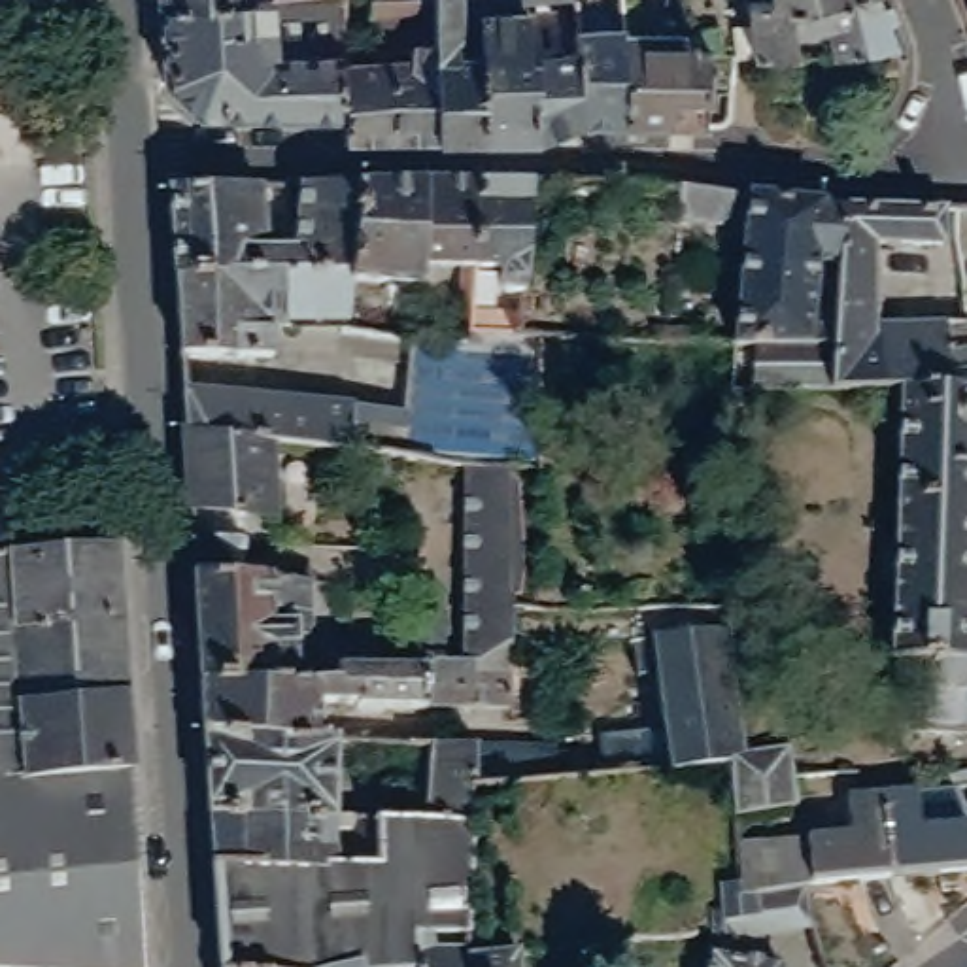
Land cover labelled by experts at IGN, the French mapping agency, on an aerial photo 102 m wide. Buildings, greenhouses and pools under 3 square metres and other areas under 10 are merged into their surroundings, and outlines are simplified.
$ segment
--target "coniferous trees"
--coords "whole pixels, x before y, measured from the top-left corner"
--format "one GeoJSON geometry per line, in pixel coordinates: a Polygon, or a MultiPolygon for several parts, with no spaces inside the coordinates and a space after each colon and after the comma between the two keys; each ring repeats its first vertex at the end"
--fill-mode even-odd
{"type": "Polygon", "coordinates": [[[385,42],[389,26],[374,23],[366,8],[351,8],[348,26],[336,34],[351,53],[370,53],[385,42]]]}

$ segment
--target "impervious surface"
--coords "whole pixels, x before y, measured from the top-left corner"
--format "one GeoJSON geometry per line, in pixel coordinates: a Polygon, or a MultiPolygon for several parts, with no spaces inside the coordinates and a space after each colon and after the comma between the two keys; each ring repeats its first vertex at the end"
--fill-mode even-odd
{"type": "Polygon", "coordinates": [[[355,812],[355,827],[340,835],[344,854],[378,850],[378,812],[355,812]]]}
{"type": "Polygon", "coordinates": [[[261,533],[253,533],[249,548],[234,548],[219,536],[200,540],[193,529],[189,544],[166,563],[166,570],[140,567],[140,548],[132,540],[121,540],[128,684],[136,721],[132,861],[144,861],[136,869],[140,967],[219,967],[193,570],[204,563],[257,563],[283,574],[306,574],[306,555],[287,551],[272,548],[261,533]]]}
{"type": "Polygon", "coordinates": [[[317,34],[314,23],[306,23],[298,38],[283,38],[287,57],[355,64],[363,57],[374,64],[393,64],[412,60],[412,49],[419,45],[434,45],[438,23],[416,11],[389,26],[385,42],[370,53],[351,53],[336,34],[317,34]]]}
{"type": "Polygon", "coordinates": [[[925,891],[914,891],[914,884],[907,884],[891,895],[884,884],[869,884],[869,895],[846,891],[842,899],[854,907],[854,918],[865,933],[884,933],[888,956],[895,959],[891,967],[967,967],[967,873],[929,876],[925,891]]]}
{"type": "Polygon", "coordinates": [[[453,170],[484,178],[536,174],[585,178],[631,170],[684,181],[725,185],[733,193],[740,185],[771,181],[782,189],[820,189],[820,196],[835,200],[952,200],[956,242],[948,242],[948,257],[925,261],[922,253],[895,253],[891,264],[876,272],[876,291],[888,298],[884,317],[967,317],[967,0],[907,0],[895,30],[899,57],[899,102],[907,102],[899,128],[907,136],[895,140],[888,166],[865,178],[842,178],[835,166],[820,162],[797,147],[771,147],[748,136],[748,128],[755,125],[755,98],[748,83],[763,79],[767,72],[748,60],[752,45],[744,30],[737,30],[729,57],[729,110],[721,121],[710,117],[699,117],[687,155],[616,147],[601,136],[563,151],[351,151],[340,128],[306,128],[291,136],[280,128],[249,132],[230,113],[223,113],[215,128],[193,128],[181,125],[185,110],[170,102],[166,79],[159,76],[159,60],[166,57],[166,23],[159,19],[159,0],[106,0],[113,15],[140,34],[128,45],[128,91],[121,98],[121,121],[110,132],[110,144],[83,166],[42,170],[30,147],[19,140],[15,125],[0,113],[0,484],[11,487],[15,476],[38,472],[45,465],[45,446],[83,431],[162,434],[174,468],[185,465],[185,397],[170,227],[174,196],[162,189],[166,178],[276,181],[280,193],[272,200],[272,238],[287,238],[298,227],[298,193],[306,178],[344,178],[348,189],[363,193],[363,174],[374,170],[453,170]],[[98,310],[64,310],[23,298],[15,283],[4,276],[23,261],[23,249],[53,227],[87,223],[94,223],[102,242],[121,257],[121,291],[110,295],[98,310]]]}
{"type": "Polygon", "coordinates": [[[812,967],[805,929],[771,937],[771,944],[786,967],[812,967]]]}
{"type": "Polygon", "coordinates": [[[246,321],[249,332],[257,332],[261,340],[257,348],[272,348],[276,359],[268,366],[196,363],[193,382],[329,393],[355,397],[366,404],[404,404],[408,355],[397,348],[400,336],[355,325],[302,329],[298,336],[287,336],[295,314],[283,314],[280,321],[246,321]]]}

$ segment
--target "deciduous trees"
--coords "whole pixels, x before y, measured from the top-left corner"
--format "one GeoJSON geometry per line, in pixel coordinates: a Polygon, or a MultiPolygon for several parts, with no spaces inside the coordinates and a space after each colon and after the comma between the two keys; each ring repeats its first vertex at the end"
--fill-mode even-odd
{"type": "Polygon", "coordinates": [[[317,533],[306,529],[302,517],[291,510],[276,521],[264,521],[261,533],[272,548],[287,551],[291,536],[298,544],[317,544],[317,533]]]}
{"type": "Polygon", "coordinates": [[[963,755],[952,755],[948,763],[918,767],[914,782],[922,789],[941,789],[944,782],[952,782],[952,771],[959,771],[963,755]]]}
{"type": "Polygon", "coordinates": [[[344,752],[348,786],[374,774],[382,786],[408,789],[416,778],[419,748],[412,737],[382,737],[378,744],[351,744],[344,752]]]}
{"type": "Polygon", "coordinates": [[[87,223],[53,227],[23,249],[23,261],[4,276],[15,283],[23,298],[64,310],[98,310],[110,295],[121,291],[121,257],[102,242],[94,223],[87,223]]]}
{"type": "Polygon", "coordinates": [[[521,400],[510,404],[510,412],[525,423],[533,446],[540,446],[536,506],[525,510],[525,548],[533,551],[533,570],[521,574],[517,593],[536,597],[536,589],[559,589],[563,604],[555,608],[555,627],[525,631],[514,646],[510,661],[525,669],[525,733],[563,740],[582,740],[582,729],[593,733],[585,691],[597,676],[601,653],[623,653],[623,638],[608,638],[616,619],[627,619],[635,627],[646,612],[699,608],[714,593],[721,593],[725,619],[733,631],[744,635],[744,676],[733,695],[740,729],[771,733],[782,744],[793,744],[801,733],[812,733],[820,748],[827,748],[839,737],[854,733],[861,740],[888,748],[903,740],[907,729],[929,725],[929,714],[937,706],[937,687],[922,695],[888,687],[907,657],[884,646],[873,642],[869,623],[861,631],[850,623],[812,627],[808,601],[816,597],[816,589],[823,589],[823,574],[820,555],[808,548],[786,551],[782,544],[774,544],[767,559],[744,570],[691,574],[684,548],[706,544],[710,536],[782,540],[801,517],[808,517],[808,499],[786,495],[786,484],[771,457],[782,434],[782,419],[793,427],[812,419],[861,419],[869,431],[876,431],[888,408],[888,389],[763,389],[755,400],[729,400],[721,408],[718,446],[691,468],[695,491],[687,491],[684,499],[676,495],[669,480],[669,457],[676,450],[672,419],[703,385],[710,385],[714,374],[737,370],[740,363],[733,363],[733,336],[721,336],[721,317],[706,321],[695,306],[687,310],[680,298],[680,291],[703,291],[710,298],[718,291],[721,253],[714,234],[695,234],[687,234],[680,253],[657,257],[657,280],[646,280],[642,264],[635,261],[604,268],[601,280],[585,280],[585,264],[574,264],[567,257],[567,238],[578,238],[582,230],[593,230],[593,249],[612,249],[608,238],[650,238],[657,223],[680,215],[684,181],[631,170],[585,178],[536,174],[536,272],[544,276],[551,295],[589,295],[585,314],[604,329],[604,344],[616,348],[612,366],[597,374],[585,400],[563,404],[548,397],[521,393],[521,400]]]}
{"type": "Polygon", "coordinates": [[[374,578],[363,589],[329,589],[329,619],[370,619],[378,635],[400,646],[431,642],[450,623],[450,585],[434,582],[434,570],[423,567],[423,521],[408,502],[404,487],[412,480],[453,484],[453,468],[438,465],[438,457],[416,465],[382,457],[385,446],[374,442],[348,442],[344,453],[336,453],[336,461],[329,461],[329,476],[317,476],[310,484],[310,495],[317,506],[332,510],[332,517],[348,521],[348,533],[366,548],[366,555],[374,555],[382,578],[374,578]]]}
{"type": "Polygon", "coordinates": [[[517,922],[521,884],[495,884],[495,865],[502,857],[491,846],[491,827],[502,823],[510,839],[521,839],[521,789],[510,786],[506,793],[476,801],[476,812],[465,816],[468,842],[476,842],[476,857],[468,857],[472,884],[465,888],[465,895],[476,910],[476,937],[487,937],[487,944],[514,948],[525,944],[529,959],[544,959],[544,929],[521,929],[517,922]]]}
{"type": "Polygon", "coordinates": [[[812,136],[827,144],[827,155],[820,162],[835,166],[842,178],[865,178],[888,166],[895,140],[907,136],[899,128],[907,102],[899,102],[899,57],[873,60],[880,68],[873,91],[857,87],[854,98],[827,102],[827,110],[812,117],[812,136]]]}
{"type": "Polygon", "coordinates": [[[442,283],[427,283],[404,283],[397,298],[393,310],[404,314],[400,336],[397,348],[408,355],[431,366],[450,363],[453,348],[468,336],[468,295],[465,287],[457,295],[446,295],[442,283]]]}
{"type": "Polygon", "coordinates": [[[110,144],[110,132],[121,121],[121,98],[128,91],[128,45],[140,34],[113,15],[106,0],[0,0],[0,113],[15,125],[19,140],[30,147],[42,170],[83,166],[110,144]]]}
{"type": "Polygon", "coordinates": [[[193,495],[174,468],[162,434],[83,431],[45,446],[45,465],[38,472],[15,476],[11,487],[4,506],[8,529],[45,533],[87,525],[102,529],[102,536],[121,540],[132,540],[140,548],[140,567],[166,570],[166,563],[189,544],[193,529],[193,495]]]}

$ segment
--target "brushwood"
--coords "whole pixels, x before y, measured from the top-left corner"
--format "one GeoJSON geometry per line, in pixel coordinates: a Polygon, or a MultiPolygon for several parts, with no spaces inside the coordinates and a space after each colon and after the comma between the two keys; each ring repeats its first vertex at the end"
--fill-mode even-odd
{"type": "Polygon", "coordinates": [[[646,876],[635,888],[631,914],[623,918],[631,933],[691,929],[699,937],[699,929],[706,925],[706,903],[691,891],[687,876],[661,873],[646,876]]]}
{"type": "Polygon", "coordinates": [[[733,793],[729,767],[657,767],[657,778],[665,778],[669,786],[703,789],[714,805],[733,793]]]}
{"type": "Polygon", "coordinates": [[[680,967],[680,941],[627,941],[619,959],[642,967],[680,967]]]}
{"type": "Polygon", "coordinates": [[[782,72],[767,72],[763,79],[748,83],[755,98],[755,125],[748,128],[748,136],[771,147],[797,147],[820,162],[827,155],[827,144],[812,136],[812,117],[805,98],[805,68],[793,68],[786,60],[782,72]]]}

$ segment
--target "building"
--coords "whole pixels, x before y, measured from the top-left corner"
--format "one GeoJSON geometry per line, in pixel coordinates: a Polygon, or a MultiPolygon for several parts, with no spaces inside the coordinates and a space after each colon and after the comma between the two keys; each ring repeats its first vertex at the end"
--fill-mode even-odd
{"type": "Polygon", "coordinates": [[[895,480],[895,627],[891,642],[884,646],[907,657],[888,687],[922,695],[937,687],[937,706],[948,721],[967,721],[967,317],[884,317],[888,298],[876,291],[876,272],[891,264],[895,253],[922,253],[925,261],[948,257],[948,242],[956,242],[952,200],[835,200],[820,196],[820,189],[782,189],[771,181],[740,185],[733,193],[725,185],[684,181],[680,215],[695,234],[714,234],[725,219],[744,230],[748,257],[737,276],[740,317],[733,336],[733,363],[740,363],[744,351],[759,359],[755,382],[763,389],[888,389],[899,389],[903,468],[895,480]]]}
{"type": "Polygon", "coordinates": [[[763,956],[718,948],[710,967],[786,967],[771,944],[763,956]]]}
{"type": "Polygon", "coordinates": [[[348,442],[374,442],[385,446],[382,457],[416,465],[438,457],[438,465],[453,468],[465,472],[465,646],[457,657],[348,657],[340,669],[310,672],[302,665],[302,642],[317,627],[317,616],[314,582],[306,574],[283,574],[257,563],[204,563],[193,570],[219,967],[517,967],[514,948],[487,944],[487,937],[476,937],[476,910],[465,895],[465,888],[472,884],[468,857],[476,857],[476,842],[468,842],[465,816],[476,812],[476,801],[472,789],[491,786],[491,774],[484,774],[484,755],[544,759],[563,740],[525,733],[525,669],[510,661],[514,646],[506,642],[506,631],[514,623],[517,593],[521,574],[533,570],[533,551],[525,548],[525,510],[536,506],[540,446],[533,446],[525,423],[510,412],[510,404],[521,400],[521,393],[548,397],[544,332],[529,332],[525,310],[502,314],[499,306],[499,295],[529,291],[529,280],[536,272],[536,174],[484,178],[453,170],[374,170],[363,174],[363,193],[348,189],[344,178],[306,178],[298,193],[298,227],[287,238],[272,238],[272,200],[280,193],[276,181],[166,178],[162,189],[174,196],[170,227],[185,397],[185,465],[174,468],[193,495],[193,529],[200,540],[219,536],[234,548],[249,548],[253,533],[261,533],[264,521],[276,521],[291,510],[283,472],[276,468],[276,446],[291,442],[336,453],[344,453],[348,442]],[[280,321],[283,314],[295,314],[287,336],[298,336],[302,329],[355,325],[355,291],[363,283],[382,283],[397,298],[404,283],[427,283],[427,261],[495,261],[495,272],[472,276],[468,295],[468,336],[453,348],[450,363],[431,366],[408,355],[404,404],[366,404],[355,397],[329,393],[193,382],[196,363],[268,366],[276,359],[272,348],[257,348],[261,340],[257,332],[249,332],[246,321],[280,321]],[[310,714],[393,718],[427,706],[457,710],[468,729],[499,733],[491,740],[412,737],[419,748],[427,752],[423,805],[378,812],[378,850],[344,854],[340,835],[355,827],[355,812],[344,808],[348,786],[344,752],[351,744],[378,744],[382,737],[310,729],[310,714]]]}
{"type": "Polygon", "coordinates": [[[744,30],[752,45],[748,60],[767,72],[782,72],[786,60],[793,68],[805,68],[873,60],[899,57],[895,30],[907,0],[771,0],[771,8],[752,11],[752,23],[744,30]]]}
{"type": "Polygon", "coordinates": [[[767,812],[797,808],[808,797],[831,793],[831,771],[797,771],[797,759],[789,759],[782,744],[771,733],[740,729],[733,695],[744,676],[744,635],[733,631],[725,619],[714,627],[672,627],[653,635],[665,737],[650,740],[646,729],[604,733],[601,752],[608,752],[612,767],[657,767],[729,767],[733,793],[737,812],[767,812]]]}
{"type": "Polygon", "coordinates": [[[128,684],[121,540],[102,536],[0,548],[0,967],[140,967],[136,869],[144,861],[132,861],[136,721],[128,684]]]}
{"type": "Polygon", "coordinates": [[[737,846],[740,880],[714,876],[714,895],[706,903],[706,925],[714,933],[771,937],[805,929],[808,914],[797,910],[797,903],[805,891],[812,899],[842,899],[846,891],[869,895],[869,884],[884,884],[891,895],[907,884],[914,884],[914,891],[925,891],[929,876],[967,873],[967,771],[959,771],[952,771],[952,782],[944,782],[941,789],[922,789],[914,782],[854,789],[846,827],[820,827],[801,839],[744,839],[737,846]]]}
{"type": "Polygon", "coordinates": [[[166,79],[170,102],[185,110],[181,125],[193,128],[215,128],[223,113],[230,113],[249,132],[280,128],[291,136],[306,128],[340,128],[351,151],[563,151],[601,136],[616,147],[687,155],[699,117],[710,117],[703,87],[714,87],[710,49],[646,53],[638,49],[638,34],[631,30],[585,30],[578,34],[582,72],[574,72],[574,64],[559,64],[540,42],[544,15],[551,15],[559,4],[582,8],[582,0],[159,0],[159,19],[166,23],[166,57],[159,60],[159,76],[166,79]],[[366,8],[374,23],[389,26],[416,11],[438,23],[434,45],[419,45],[412,49],[412,60],[393,64],[374,64],[363,57],[355,64],[287,57],[283,38],[298,38],[306,23],[314,23],[317,34],[336,34],[348,26],[351,8],[366,8]]]}

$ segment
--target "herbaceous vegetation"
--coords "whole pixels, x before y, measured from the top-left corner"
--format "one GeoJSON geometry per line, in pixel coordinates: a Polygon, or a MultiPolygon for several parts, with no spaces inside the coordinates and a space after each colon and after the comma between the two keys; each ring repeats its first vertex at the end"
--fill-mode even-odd
{"type": "Polygon", "coordinates": [[[525,310],[529,332],[544,332],[548,397],[563,404],[585,400],[597,374],[612,366],[616,348],[604,344],[604,329],[585,314],[589,295],[551,295],[544,276],[536,272],[529,280],[529,291],[499,295],[499,306],[502,314],[525,310]]]}
{"type": "Polygon", "coordinates": [[[797,903],[797,910],[808,914],[805,929],[812,967],[891,967],[895,959],[888,956],[884,933],[865,933],[854,918],[854,907],[842,899],[812,899],[805,891],[797,903]]]}
{"type": "Polygon", "coordinates": [[[363,283],[355,291],[355,325],[400,336],[404,314],[393,310],[397,298],[382,283],[363,283]]]}
{"type": "Polygon", "coordinates": [[[355,812],[378,812],[423,805],[427,752],[419,748],[416,778],[408,789],[382,786],[374,774],[348,786],[344,808],[355,812]]]}
{"type": "Polygon", "coordinates": [[[574,264],[585,264],[585,280],[601,280],[604,268],[635,261],[642,264],[646,280],[657,280],[657,257],[680,253],[687,234],[695,234],[680,215],[657,223],[650,238],[608,238],[612,249],[593,249],[593,230],[582,230],[578,238],[567,238],[567,257],[574,264]]]}
{"type": "Polygon", "coordinates": [[[510,839],[502,823],[491,827],[491,846],[502,857],[495,865],[495,884],[521,884],[517,922],[521,929],[544,929],[544,959],[529,959],[525,944],[514,948],[517,967],[642,967],[619,959],[627,941],[680,941],[680,967],[710,967],[718,948],[763,956],[771,944],[771,937],[714,933],[706,925],[699,929],[699,937],[691,929],[631,933],[623,918],[631,914],[635,888],[646,876],[661,873],[687,876],[691,891],[706,903],[714,895],[714,876],[740,880],[737,846],[744,839],[801,839],[820,827],[846,827],[854,789],[914,782],[918,767],[948,763],[952,755],[963,755],[959,771],[967,771],[967,721],[948,721],[937,706],[929,714],[929,725],[907,729],[903,740],[888,748],[861,740],[854,733],[839,737],[827,748],[820,748],[812,733],[801,733],[793,744],[782,744],[789,759],[797,759],[797,771],[831,771],[831,793],[808,797],[797,808],[767,812],[737,812],[733,793],[714,805],[703,789],[669,786],[665,778],[657,778],[657,767],[612,767],[608,752],[601,752],[604,733],[646,729],[650,740],[665,737],[653,635],[672,627],[714,627],[725,619],[721,593],[714,593],[699,608],[646,612],[635,627],[627,619],[616,619],[608,638],[623,638],[623,653],[601,653],[597,676],[585,691],[593,733],[582,729],[582,740],[563,740],[544,759],[484,755],[484,774],[491,774],[491,786],[472,789],[476,801],[506,793],[510,786],[521,789],[521,839],[510,839]]]}
{"type": "Polygon", "coordinates": [[[782,434],[771,457],[786,484],[786,495],[808,499],[808,517],[801,517],[782,540],[710,536],[706,544],[684,548],[691,574],[744,570],[767,559],[774,544],[782,544],[786,551],[808,548],[820,555],[823,574],[823,589],[816,589],[816,597],[808,601],[812,627],[850,623],[861,631],[869,623],[873,642],[884,646],[891,642],[895,627],[895,480],[903,468],[899,389],[888,389],[888,408],[876,431],[869,431],[861,419],[812,419],[793,427],[782,419],[782,434]]]}
{"type": "Polygon", "coordinates": [[[0,484],[0,548],[102,536],[102,529],[87,525],[45,533],[8,529],[4,506],[11,487],[0,484]]]}
{"type": "Polygon", "coordinates": [[[506,642],[514,646],[525,631],[555,627],[555,608],[563,604],[559,589],[536,589],[536,597],[517,593],[514,623],[506,631],[506,642]]]}
{"type": "Polygon", "coordinates": [[[740,363],[737,370],[714,374],[710,385],[703,385],[672,419],[676,450],[669,457],[669,480],[676,495],[684,499],[687,491],[695,491],[691,468],[718,446],[721,408],[729,400],[755,400],[763,389],[755,382],[759,359],[744,351],[740,363]]]}
{"type": "Polygon", "coordinates": [[[306,529],[317,533],[317,544],[298,544],[291,536],[287,551],[306,555],[306,574],[314,582],[317,616],[317,627],[302,642],[302,665],[310,672],[340,669],[348,657],[457,657],[465,646],[465,472],[453,468],[453,484],[412,480],[404,487],[408,502],[423,521],[423,567],[434,570],[434,582],[450,585],[450,623],[431,642],[400,646],[378,635],[370,619],[329,619],[329,589],[363,589],[374,578],[382,578],[374,555],[366,555],[366,548],[348,533],[348,521],[332,517],[332,510],[317,506],[310,495],[310,484],[317,476],[329,476],[329,461],[336,461],[336,453],[291,442],[276,446],[276,468],[283,472],[291,510],[302,517],[306,529]]]}
{"type": "Polygon", "coordinates": [[[412,737],[491,740],[499,733],[468,729],[457,710],[427,706],[393,718],[310,714],[310,729],[382,737],[412,737]]]}
{"type": "Polygon", "coordinates": [[[468,295],[472,276],[495,272],[495,261],[427,261],[427,283],[442,283],[446,295],[457,295],[465,287],[468,295]]]}
{"type": "Polygon", "coordinates": [[[706,321],[721,317],[721,336],[733,336],[740,317],[737,276],[748,257],[744,230],[725,219],[714,234],[721,253],[718,291],[710,298],[703,291],[680,291],[680,298],[687,310],[695,306],[706,321]]]}
{"type": "Polygon", "coordinates": [[[638,34],[638,49],[646,53],[710,49],[714,87],[703,87],[710,117],[721,121],[729,110],[729,57],[737,30],[744,30],[752,23],[752,11],[771,8],[771,0],[582,0],[582,8],[559,4],[551,15],[544,15],[540,42],[559,64],[574,64],[574,72],[582,72],[578,34],[585,30],[631,30],[638,34]]]}
{"type": "Polygon", "coordinates": [[[827,102],[854,98],[857,87],[873,91],[880,68],[873,60],[805,68],[805,98],[812,117],[827,110],[827,102]]]}

